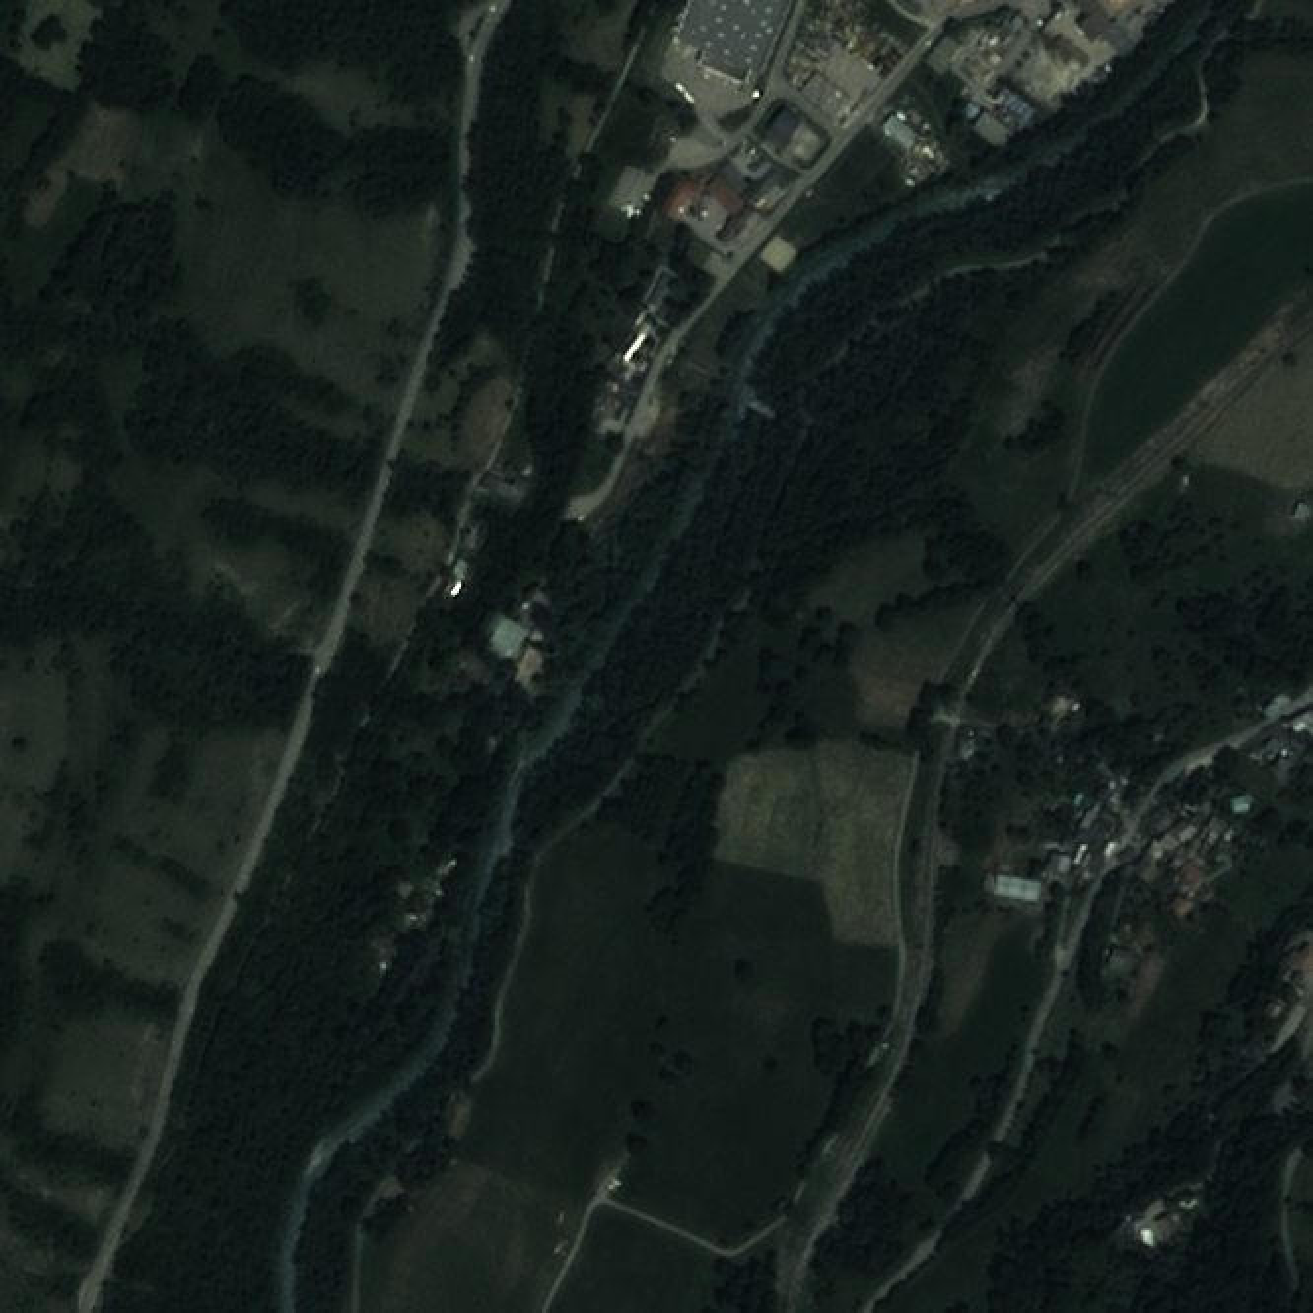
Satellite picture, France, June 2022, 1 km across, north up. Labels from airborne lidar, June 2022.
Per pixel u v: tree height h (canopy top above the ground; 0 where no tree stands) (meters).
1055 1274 15
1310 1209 12
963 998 0
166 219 20
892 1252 18
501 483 0
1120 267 0
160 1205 7
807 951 0
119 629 11
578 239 20
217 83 19
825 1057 15
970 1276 0
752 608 6
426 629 13
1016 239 16
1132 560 12
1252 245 0
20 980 6
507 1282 0
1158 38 15
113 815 0
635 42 11
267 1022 17
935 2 0
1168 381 0
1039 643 18
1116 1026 0
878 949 0
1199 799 13
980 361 12
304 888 17
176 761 8
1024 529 0
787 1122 0
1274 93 0
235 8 20
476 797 24
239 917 8
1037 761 11
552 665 20
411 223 0
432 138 16
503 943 23
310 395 12
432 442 0
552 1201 0
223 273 0
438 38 22
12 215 9
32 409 16
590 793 11
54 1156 16
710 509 17
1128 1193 9
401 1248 0
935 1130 0
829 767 0
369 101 0
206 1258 17
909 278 26
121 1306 8
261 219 0
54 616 12
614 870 0
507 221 16
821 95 0
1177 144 11
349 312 8
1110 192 25
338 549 14
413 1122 30
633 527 14
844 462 10
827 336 24
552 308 19
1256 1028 12
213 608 10
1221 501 0
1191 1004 0
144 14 11
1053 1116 11
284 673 12
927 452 11
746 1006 0
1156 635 0
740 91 0
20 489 0
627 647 18
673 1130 0
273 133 21
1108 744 19
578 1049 0
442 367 10
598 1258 0
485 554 11
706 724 0
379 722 9
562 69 16
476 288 17
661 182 8
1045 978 0
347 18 17
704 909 0
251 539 14
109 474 6
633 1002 0
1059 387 0
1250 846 6
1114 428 0
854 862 0
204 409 20
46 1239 10
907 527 11
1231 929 0
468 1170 0
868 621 0
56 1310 0
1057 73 0
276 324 0
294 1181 8
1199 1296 27
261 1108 23
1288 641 11
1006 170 18
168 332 15
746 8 0
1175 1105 9
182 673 9
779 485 20
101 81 24
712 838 15
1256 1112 7
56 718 0
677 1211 0
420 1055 11
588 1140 0
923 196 17
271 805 0
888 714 0
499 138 18
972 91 0
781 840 0
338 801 7
